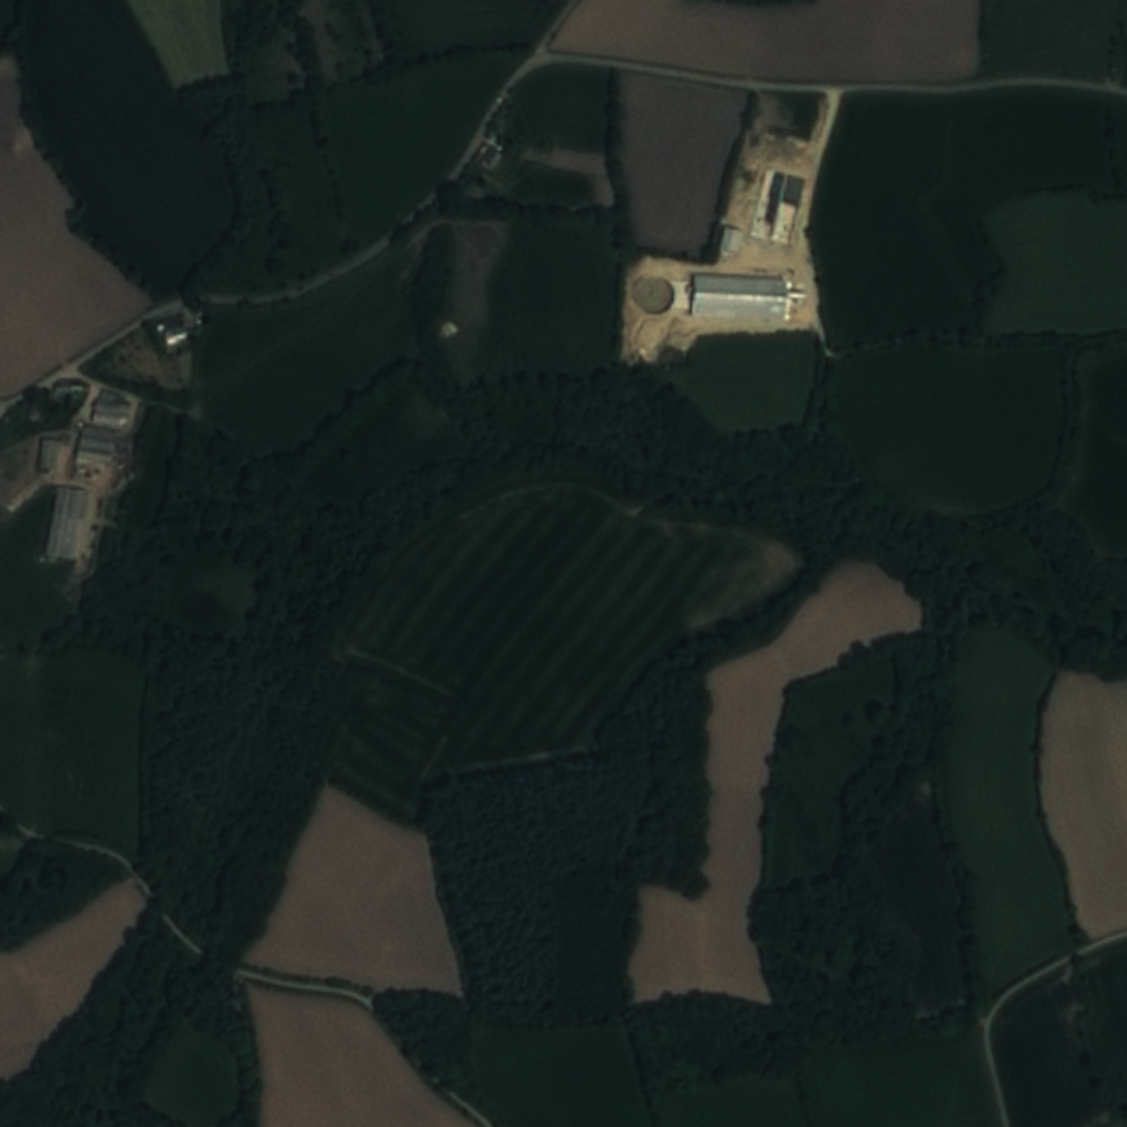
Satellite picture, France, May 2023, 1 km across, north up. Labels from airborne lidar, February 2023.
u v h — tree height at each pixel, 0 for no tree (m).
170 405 8
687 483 12
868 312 0
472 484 20
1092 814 0
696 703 19
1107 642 20
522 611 0
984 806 0
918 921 0
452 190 18
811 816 0
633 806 22
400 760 0
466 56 13
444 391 18
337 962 0
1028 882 0
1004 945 0
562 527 0
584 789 25
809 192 0
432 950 0
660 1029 19
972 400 0
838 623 0
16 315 0
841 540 17
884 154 0
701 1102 0
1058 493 9
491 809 29
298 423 0
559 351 0
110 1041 14
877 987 21
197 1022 23
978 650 0
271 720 17
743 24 0
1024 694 0
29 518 0
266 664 15
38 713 0
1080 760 0
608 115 8
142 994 21
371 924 0
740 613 0
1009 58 0
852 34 0
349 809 0
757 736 0
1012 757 0
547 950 31
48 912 10
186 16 0
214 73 0
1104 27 0
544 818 30
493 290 0
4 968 0
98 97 0
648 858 23
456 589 0
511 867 29
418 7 0
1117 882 0
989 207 0
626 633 0
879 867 0
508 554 0
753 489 17
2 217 0
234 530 18
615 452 9
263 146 0
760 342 0
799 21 0
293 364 0
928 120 0
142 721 6
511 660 0
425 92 0
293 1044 0
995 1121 0
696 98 0
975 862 0
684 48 0
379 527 18
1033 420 0
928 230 0
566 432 15
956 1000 0
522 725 0
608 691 0
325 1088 0
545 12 0
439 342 9
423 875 0
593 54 0
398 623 0
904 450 0
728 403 0
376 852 0
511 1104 0
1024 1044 0
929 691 19
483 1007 25
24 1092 17
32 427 0
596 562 0
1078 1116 0
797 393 0
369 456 0
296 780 13
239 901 21
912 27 0
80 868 11
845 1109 0
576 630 0
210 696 8
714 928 0
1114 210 0
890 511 8
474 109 0
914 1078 0
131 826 0
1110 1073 0
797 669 0
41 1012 0
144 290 13
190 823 11
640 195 0
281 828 14
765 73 0
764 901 19
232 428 0
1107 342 11
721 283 7
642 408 8
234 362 0
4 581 0
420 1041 15
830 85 0
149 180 0
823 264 0
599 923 13
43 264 0
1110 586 20
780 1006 14
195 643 17
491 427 7
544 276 0
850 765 0
